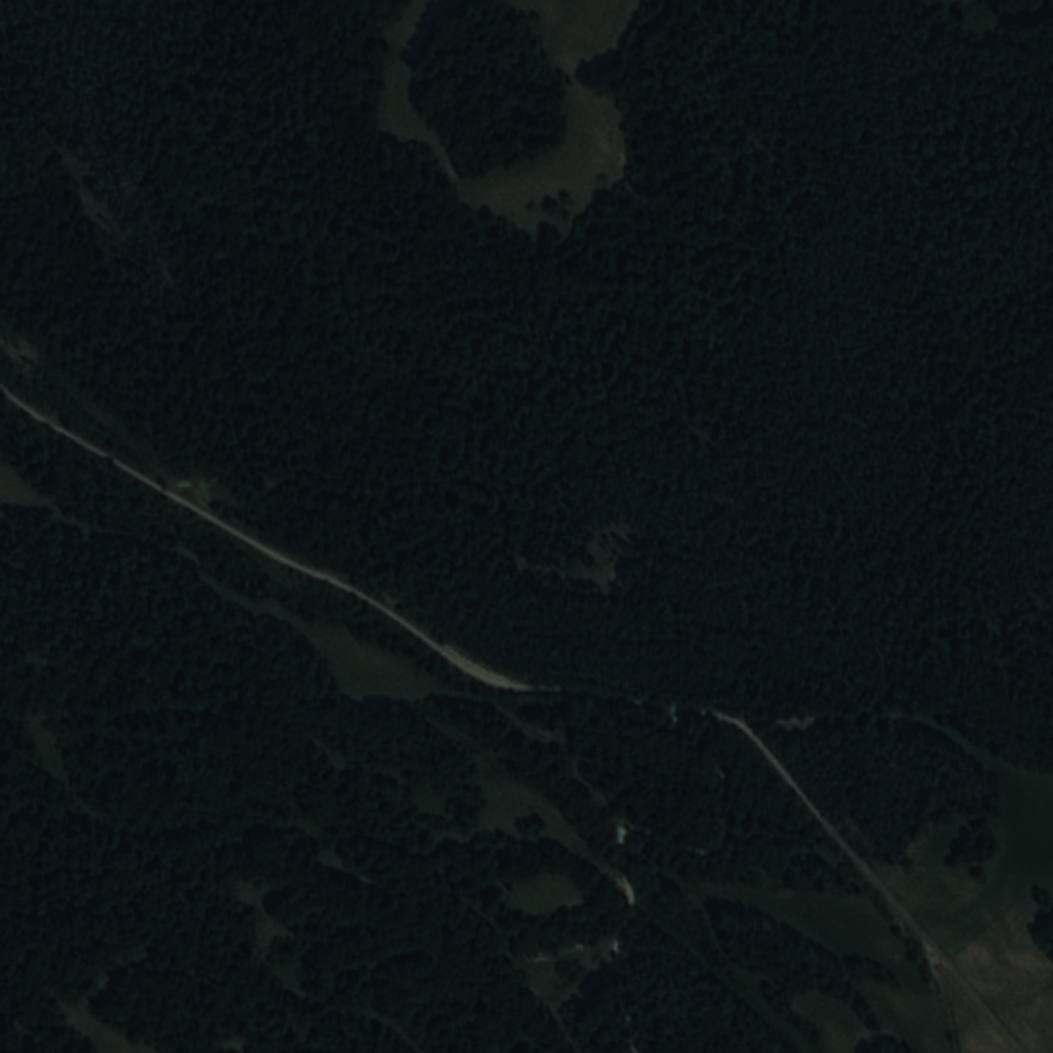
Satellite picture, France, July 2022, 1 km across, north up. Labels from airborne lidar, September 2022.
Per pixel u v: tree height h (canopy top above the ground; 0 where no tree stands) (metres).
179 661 7
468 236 11
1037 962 0
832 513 25
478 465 19
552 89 27
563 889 0
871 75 18
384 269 20
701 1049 8
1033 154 29
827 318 17
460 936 25
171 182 12
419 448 21
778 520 19
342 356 20
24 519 26
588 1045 11
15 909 8
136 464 6
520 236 19
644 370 8
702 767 20
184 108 29
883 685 17
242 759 15
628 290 22
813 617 23
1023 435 15
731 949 15
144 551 33
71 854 25
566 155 0
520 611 14
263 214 14
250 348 21
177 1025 14
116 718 7
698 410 23
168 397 23
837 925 0
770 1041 15
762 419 18
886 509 12
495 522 25
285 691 28
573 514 12
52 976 19
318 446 8
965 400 22
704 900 0
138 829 8
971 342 25
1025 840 0
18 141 22
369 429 17
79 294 14
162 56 25
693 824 15
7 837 19
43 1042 11
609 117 0
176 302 7
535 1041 10
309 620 20
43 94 20
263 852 26
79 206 21
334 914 20
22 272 17
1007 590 17
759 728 20
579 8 0
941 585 20
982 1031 0
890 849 21
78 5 37
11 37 17
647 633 13
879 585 13
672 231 24
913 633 14
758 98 19
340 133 14
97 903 27
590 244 11
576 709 27
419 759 20
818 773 16
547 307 15
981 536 23
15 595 23
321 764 20
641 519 20
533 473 23
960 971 0
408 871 24
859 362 10
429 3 0
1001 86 31
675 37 28
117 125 27
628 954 11
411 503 22
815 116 20
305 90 25
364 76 19
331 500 29
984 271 26
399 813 23
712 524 24
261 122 24
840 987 21
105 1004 23
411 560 23
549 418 28
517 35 23
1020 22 28
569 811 19
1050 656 21
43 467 16
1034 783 0
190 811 6
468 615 21
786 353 18
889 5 23
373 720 28
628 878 24
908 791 22
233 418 10
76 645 18
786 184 31
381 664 0
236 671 14
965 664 21
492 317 26
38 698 22
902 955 0
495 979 28
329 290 22
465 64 18
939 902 0
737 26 18
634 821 17
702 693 17
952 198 26
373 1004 8
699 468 21
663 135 23
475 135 25
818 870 20
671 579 22
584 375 27
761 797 20
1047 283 24
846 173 19
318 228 23
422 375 21
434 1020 20
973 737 29
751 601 26
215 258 15
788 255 21
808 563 22
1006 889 0
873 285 21
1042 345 14
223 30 29
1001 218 28
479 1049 21
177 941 25
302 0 30
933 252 15
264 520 8
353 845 15
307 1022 15
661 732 31
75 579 24
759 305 20
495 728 26
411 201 12
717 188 21
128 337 22
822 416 21
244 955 26
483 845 14
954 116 8
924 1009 0
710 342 18
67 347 14
